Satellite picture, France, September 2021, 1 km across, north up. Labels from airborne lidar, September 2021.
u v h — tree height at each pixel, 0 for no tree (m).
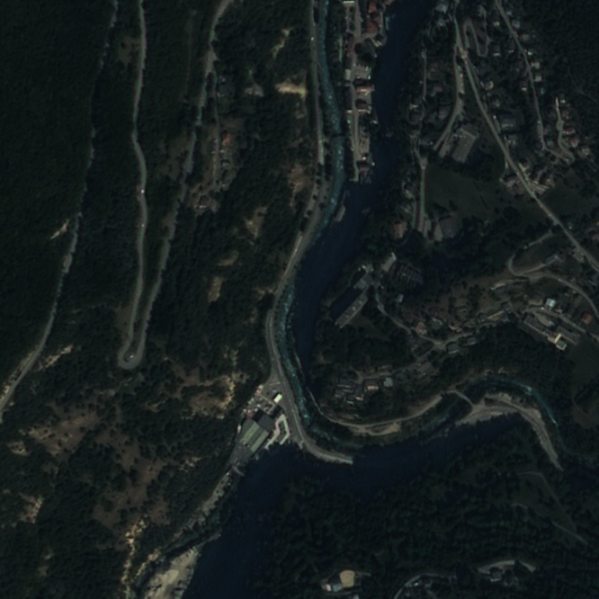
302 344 0
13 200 20
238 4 6
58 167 22
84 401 10
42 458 13
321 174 8
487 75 9
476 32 0
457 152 0
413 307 10
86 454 15
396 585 7
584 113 7
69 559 17
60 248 10
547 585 14
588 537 14
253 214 13
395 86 14
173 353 13
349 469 7
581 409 11
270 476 17
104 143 22
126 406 9
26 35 16
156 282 15
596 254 0
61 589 14
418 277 0
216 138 0
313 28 0
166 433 8
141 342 0
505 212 0
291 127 22
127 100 16
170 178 7
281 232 8
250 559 12
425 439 15
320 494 19
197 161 13
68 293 22
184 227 12
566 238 9
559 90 11
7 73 24
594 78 6
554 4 23
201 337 16
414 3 12
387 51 7
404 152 14
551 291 0
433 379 7
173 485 14
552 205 0
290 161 8
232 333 11
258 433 0
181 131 9
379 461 0
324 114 11
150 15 13
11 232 20
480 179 12
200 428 13
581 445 22
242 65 18
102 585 18
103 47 10
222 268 11
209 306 15
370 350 15
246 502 12
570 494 17
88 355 12
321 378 15
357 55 10
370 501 12
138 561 14
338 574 0
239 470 12
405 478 23
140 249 0
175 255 19
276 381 0
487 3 8
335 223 0
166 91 17
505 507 0
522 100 10
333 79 9
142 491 0
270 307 16
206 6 15
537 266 0
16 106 21
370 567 9
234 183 9
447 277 17
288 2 15
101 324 12
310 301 0
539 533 8
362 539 20
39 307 22
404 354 16
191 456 10
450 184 0
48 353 10
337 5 11
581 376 0
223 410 15
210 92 10
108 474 13
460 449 6
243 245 11
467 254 13
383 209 14
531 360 16
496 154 0
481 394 8
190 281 16
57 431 0
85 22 26
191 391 12
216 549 0
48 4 23
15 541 18
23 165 18
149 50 14
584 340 0
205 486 14
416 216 0
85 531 16
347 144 8
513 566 0
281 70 13
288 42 10
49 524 21
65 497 9
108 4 10
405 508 11
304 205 16
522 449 17
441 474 14
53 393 12
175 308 12
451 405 14
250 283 13
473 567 12
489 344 11
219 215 9
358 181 0
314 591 12
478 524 13
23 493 10
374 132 10
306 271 0
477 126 7
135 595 0
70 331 10
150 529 15
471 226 17
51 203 22
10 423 15
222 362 8
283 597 14
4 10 18
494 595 14
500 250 0
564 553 15
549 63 6
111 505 11
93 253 19
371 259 16
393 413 10
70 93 24
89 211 19
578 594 9
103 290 22
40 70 23
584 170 8
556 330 0
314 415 13
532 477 0
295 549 12
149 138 19
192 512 16
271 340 0
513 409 0
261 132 6
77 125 22
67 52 20
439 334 7
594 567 11
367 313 11
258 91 0
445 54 13
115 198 21
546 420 9
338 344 16
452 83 9
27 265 21
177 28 12
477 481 0
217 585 19
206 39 12
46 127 26
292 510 0
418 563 14
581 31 17
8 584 13
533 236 15
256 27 8
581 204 0
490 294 6
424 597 8
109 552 10
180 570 0
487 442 12
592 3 14
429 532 18
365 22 6
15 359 11
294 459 13
